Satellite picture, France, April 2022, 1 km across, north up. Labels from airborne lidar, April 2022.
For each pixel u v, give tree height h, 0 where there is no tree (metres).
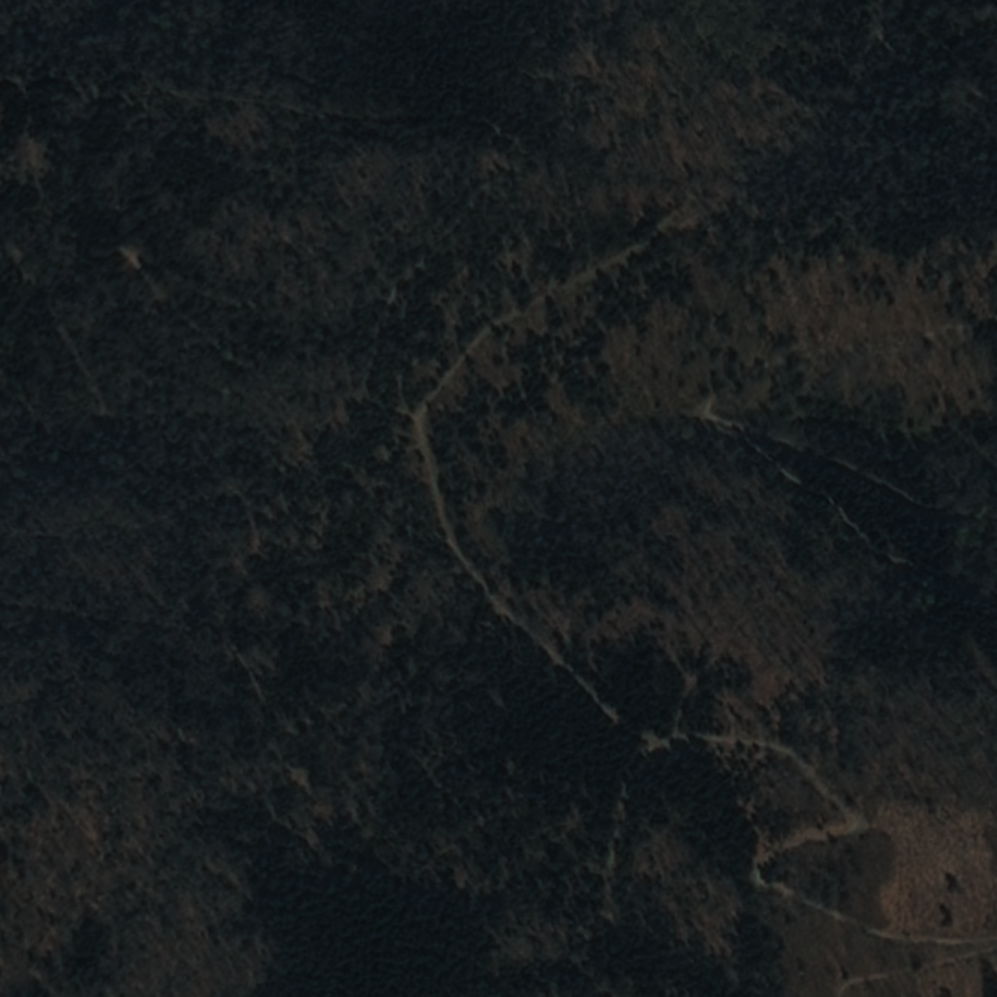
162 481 22
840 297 26
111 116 18
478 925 30
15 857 10
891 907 15
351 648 15
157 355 28
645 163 29
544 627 23
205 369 25
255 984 24
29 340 12
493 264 27
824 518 10
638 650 10
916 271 7
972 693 32
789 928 11
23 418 25
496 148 20
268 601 18
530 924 26
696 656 7
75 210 16
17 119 11
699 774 24
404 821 18
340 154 23
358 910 31
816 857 12
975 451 18
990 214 22
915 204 23
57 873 27
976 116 22
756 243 23
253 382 25
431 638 9
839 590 31
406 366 18
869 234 25
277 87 22
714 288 20
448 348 10
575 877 18
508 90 16
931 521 21
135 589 28
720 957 21
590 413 19
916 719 32
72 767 25
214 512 24
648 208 16
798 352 23
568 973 24
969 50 6
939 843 14
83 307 28
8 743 27
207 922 17
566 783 23
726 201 9
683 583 29
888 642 18
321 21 17
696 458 29
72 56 14
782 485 13
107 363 26
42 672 28
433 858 16
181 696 20
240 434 24
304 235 23
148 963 26
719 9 27
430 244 9
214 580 18
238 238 23
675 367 18
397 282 25
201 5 25
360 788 27
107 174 18
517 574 11
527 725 22
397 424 7
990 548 30
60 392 30
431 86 19
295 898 24
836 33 21
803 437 24
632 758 21
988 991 20
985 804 12
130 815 25
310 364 26
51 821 25
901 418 23
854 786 6
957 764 32
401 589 12
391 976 27
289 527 23
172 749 21
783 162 34
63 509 30
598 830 32
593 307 11
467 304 12
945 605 14
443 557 26
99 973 19
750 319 16
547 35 23
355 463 13
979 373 16
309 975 21
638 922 22
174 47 23
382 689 25
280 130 17
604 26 23
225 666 27
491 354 8
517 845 14
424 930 30
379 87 20
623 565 27
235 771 27
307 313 18
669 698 12
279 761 23
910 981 14
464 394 14
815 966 11
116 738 11
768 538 23
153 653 26
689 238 15
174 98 7
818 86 29
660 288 21
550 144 20
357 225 19
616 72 23
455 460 23
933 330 9
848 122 22
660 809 18
